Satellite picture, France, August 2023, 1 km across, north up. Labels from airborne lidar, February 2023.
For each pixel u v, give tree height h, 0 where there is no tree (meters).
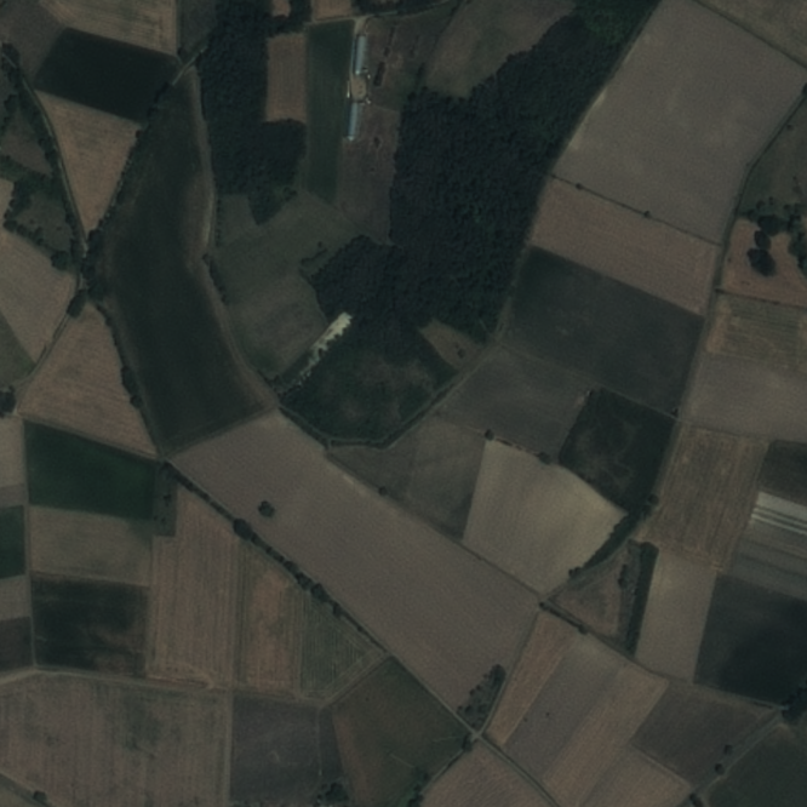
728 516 0
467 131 21
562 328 0
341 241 0
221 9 8
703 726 0
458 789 0
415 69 0
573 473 0
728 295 0
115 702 0
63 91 0
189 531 0
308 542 0
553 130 15
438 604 0
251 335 0
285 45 0
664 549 0
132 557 0
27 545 0
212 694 0
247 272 0
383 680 0
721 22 0
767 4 0
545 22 0
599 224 0
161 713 0
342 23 0
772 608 0
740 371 0
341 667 0
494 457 0
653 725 0
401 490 0
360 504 0
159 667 0
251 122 9
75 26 0
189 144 0
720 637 0
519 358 0
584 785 0
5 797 0
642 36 0
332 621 0
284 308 0
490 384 0
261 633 0
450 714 0
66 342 0
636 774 0
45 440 0
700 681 0
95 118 0
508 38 0
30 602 0
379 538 0
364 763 0
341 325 0
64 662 0
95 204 0
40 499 0
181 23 0
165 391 0
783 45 0
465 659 0
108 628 0
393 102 0
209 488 0
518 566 0
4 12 0
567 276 0
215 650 0
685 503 0
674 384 0
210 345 0
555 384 0
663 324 0
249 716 0
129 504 0
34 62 0
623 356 0
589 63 16
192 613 0
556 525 0
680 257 0
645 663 0
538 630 0
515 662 0
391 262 14
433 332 0
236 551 0
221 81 15
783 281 0
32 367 0
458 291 13
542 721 0
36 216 0
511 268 21
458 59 0
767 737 0
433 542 0
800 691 0
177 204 0
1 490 0
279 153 11
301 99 0
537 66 15
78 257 18
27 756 0
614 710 0
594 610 0
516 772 0
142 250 0
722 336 0
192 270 0
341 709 0
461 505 0
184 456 0
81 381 0
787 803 0
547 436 0
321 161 0
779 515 0
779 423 0
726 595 0
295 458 0
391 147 0
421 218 18
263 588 0
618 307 0
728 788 0
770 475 0
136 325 0
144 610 0
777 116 0
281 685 0
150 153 0
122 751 0
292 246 0
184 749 0
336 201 0
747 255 0
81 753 0
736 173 0
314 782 0
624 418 0
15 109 11
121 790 0
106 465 0
